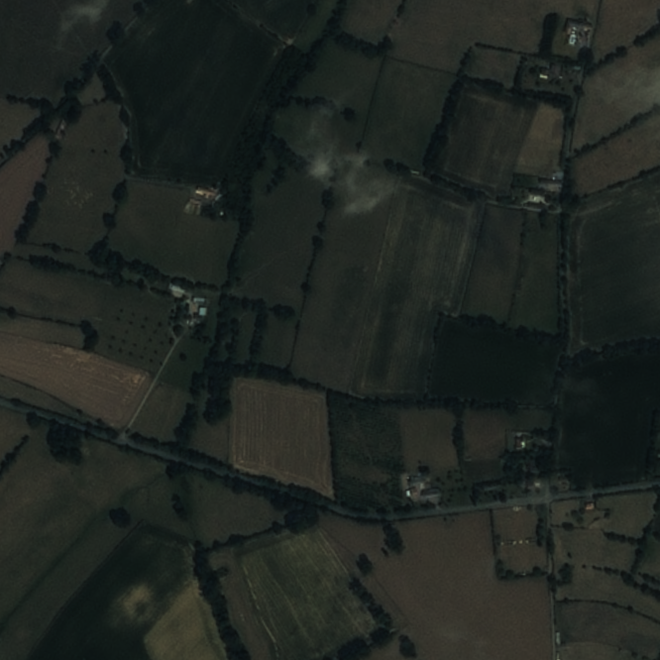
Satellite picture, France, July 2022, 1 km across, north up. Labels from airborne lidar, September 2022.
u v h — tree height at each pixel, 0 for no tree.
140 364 0
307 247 0
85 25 0
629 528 0
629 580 14
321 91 0
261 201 0
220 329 17
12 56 0
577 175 0
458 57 0
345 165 0
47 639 0
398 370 0
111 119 0
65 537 0
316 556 0
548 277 0
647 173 8
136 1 0
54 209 0
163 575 0
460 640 0
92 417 0
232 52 0
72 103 14
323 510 15
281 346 0
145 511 0
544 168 0
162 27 0
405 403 11
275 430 0
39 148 0
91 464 0
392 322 0
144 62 0
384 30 0
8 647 0
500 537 6
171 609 0
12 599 0
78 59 0
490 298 0
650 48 0
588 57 18
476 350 0
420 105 0
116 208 7
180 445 10
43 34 0
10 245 0
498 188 0
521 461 8
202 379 9
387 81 0
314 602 0
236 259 14
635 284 0
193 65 0
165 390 0
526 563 0
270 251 0
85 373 0
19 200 0
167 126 0
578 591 0
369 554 0
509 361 0
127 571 0
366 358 0
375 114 0
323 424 0
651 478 7
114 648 0
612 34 0
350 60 0
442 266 0
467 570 0
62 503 0
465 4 0
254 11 0
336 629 0
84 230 0
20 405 13
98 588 0
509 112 0
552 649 0
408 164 0
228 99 0
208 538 0
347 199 0
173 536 0
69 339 0
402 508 14
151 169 0
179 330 11
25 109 0
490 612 0
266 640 0
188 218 0
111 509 0
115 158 0
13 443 0
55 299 0
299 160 17
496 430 0
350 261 0
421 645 0
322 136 0
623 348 15
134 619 0
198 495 0
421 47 0
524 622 0
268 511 0
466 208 0
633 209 0
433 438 0
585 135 0
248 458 0
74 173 0
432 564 0
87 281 0
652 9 0
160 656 0
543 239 0
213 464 17
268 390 0
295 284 0
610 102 0
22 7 0
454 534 0
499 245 0
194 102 0
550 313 0
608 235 0
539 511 13
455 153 0
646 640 0
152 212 0
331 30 11
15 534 0
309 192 0
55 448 19
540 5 0
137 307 0
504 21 0
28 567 0
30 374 0
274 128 13
